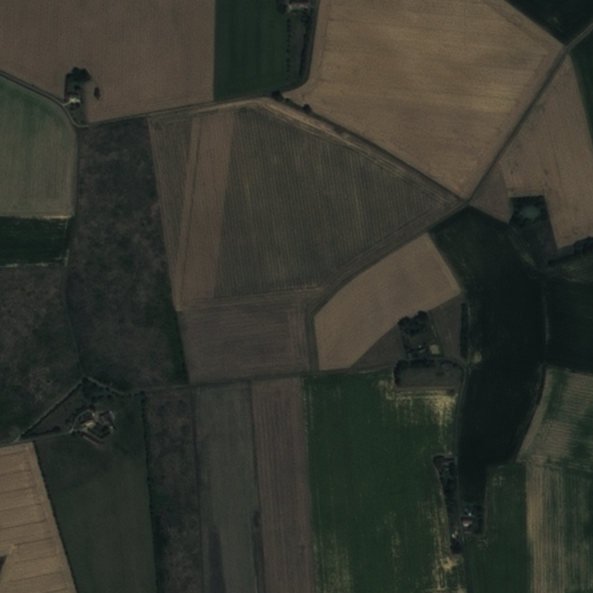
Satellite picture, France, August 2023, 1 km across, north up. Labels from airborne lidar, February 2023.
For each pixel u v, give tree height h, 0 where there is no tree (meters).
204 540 0
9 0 0
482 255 0
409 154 0
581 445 0
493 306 0
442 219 0
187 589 0
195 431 0
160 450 0
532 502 0
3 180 0
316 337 0
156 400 0
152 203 0
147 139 0
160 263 0
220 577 0
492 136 0
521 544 0
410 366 8
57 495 0
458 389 0
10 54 0
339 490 0
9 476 0
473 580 0
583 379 0
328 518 0
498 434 0
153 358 0
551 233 0
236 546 0
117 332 0
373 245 0
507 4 0
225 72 0
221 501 0
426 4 0
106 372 0
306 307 0
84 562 0
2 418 0
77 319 0
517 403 0
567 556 0
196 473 0
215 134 0
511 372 0
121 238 0
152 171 0
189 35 0
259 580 0
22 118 0
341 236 0
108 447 0
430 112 0
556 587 0
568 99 0
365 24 0
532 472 0
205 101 0
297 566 0
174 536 0
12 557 0
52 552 0
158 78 0
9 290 0
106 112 0
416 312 0
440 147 0
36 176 0
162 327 0
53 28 0
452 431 0
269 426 0
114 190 0
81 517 0
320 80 0
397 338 0
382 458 0
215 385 0
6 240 0
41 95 0
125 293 0
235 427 0
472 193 0
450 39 0
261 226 0
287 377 0
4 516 0
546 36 0
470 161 0
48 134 0
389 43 0
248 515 0
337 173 0
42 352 0
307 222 0
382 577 0
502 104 0
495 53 0
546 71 0
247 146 0
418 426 0
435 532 0
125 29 0
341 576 0
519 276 0
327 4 0
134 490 0
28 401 0
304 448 0
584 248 8
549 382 0
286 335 0
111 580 0
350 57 0
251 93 0
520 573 0
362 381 0
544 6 0
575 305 0
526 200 7
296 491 0
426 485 0
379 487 0
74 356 0
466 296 0
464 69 0
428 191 0
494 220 0
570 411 0
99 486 0
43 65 0
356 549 0
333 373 0
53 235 0
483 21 0
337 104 0
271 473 0
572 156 0
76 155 0
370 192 0
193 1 0
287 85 0
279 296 0
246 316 0
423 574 0
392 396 0
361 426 0
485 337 0
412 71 0
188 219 0
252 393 0
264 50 0
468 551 0
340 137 0
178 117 0
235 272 0
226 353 0
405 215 0
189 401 0
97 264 0
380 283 0
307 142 0
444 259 0
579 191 0
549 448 0
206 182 0
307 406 0
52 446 0
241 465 0
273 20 0
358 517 0
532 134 0
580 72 0
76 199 0
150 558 0
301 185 0
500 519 0
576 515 0
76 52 0
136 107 0
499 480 0
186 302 0
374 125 0
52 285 0
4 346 0
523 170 0
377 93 0
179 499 0
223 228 0
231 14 0
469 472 0
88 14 0
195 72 0
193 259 0
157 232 0
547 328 0
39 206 0
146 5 0
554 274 0
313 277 0
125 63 0
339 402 0
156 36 0
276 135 0
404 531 0
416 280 0
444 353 0
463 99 0
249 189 0
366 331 0
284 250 0
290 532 0
